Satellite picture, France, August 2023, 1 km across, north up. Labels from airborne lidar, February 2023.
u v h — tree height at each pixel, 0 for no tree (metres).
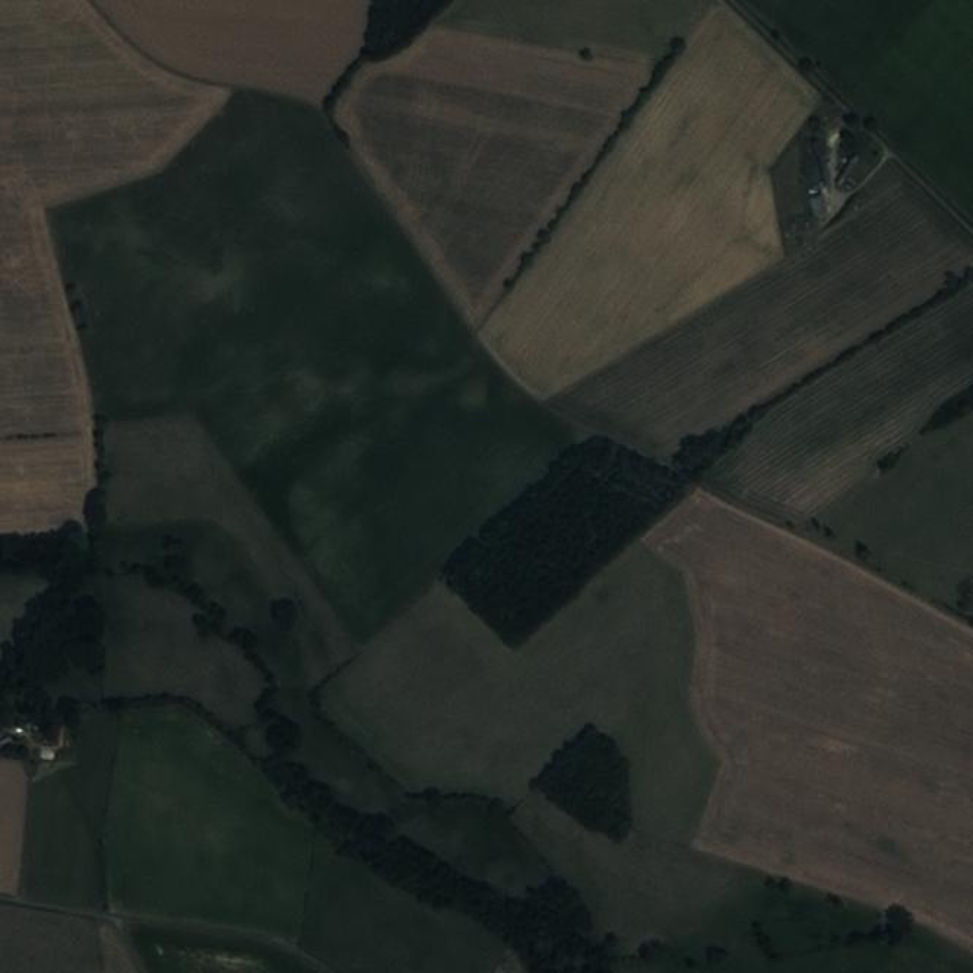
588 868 0
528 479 0
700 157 0
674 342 0
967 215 0
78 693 0
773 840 0
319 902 0
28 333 0
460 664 0
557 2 0
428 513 0
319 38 0
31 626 12
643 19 0
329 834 9
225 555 0
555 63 0
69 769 0
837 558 0
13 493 0
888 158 0
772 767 0
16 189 0
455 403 0
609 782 15
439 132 0
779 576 0
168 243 0
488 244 0
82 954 0
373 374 0
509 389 0
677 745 0
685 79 0
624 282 0
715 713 0
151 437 0
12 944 0
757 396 0
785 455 0
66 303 0
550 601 19
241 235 0
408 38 12
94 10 0
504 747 0
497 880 0
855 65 0
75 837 0
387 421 0
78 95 0
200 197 0
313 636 0
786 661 0
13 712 0
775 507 0
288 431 0
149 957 0
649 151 0
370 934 0
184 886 0
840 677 0
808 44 0
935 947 0
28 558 19
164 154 0
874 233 0
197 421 0
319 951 0
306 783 7
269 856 0
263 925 0
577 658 0
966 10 0
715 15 0
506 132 0
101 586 0
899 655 0
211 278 0
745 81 0
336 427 0
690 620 0
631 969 0
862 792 0
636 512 15
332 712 0
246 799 0
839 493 0
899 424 0
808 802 0
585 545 18
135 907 0
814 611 0
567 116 0
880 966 0
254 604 0
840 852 0
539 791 10
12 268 0
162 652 0
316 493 0
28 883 0
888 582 0
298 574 0
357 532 0
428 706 0
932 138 0
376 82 0
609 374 0
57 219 0
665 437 0
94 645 33
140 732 0
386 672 0
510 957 0
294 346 0
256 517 0
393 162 0
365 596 0
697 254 0
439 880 17
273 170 0
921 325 0
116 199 0
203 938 0
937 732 0
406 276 0
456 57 0
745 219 0
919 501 0
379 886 0
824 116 0
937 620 0
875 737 0
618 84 0
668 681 0
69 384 0
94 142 0
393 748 0
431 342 0
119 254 0
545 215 0
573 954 22
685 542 0
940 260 0
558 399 0
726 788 0
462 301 0
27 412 0
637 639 0
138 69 0
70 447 0
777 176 0
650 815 0
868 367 0
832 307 0
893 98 0
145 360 0
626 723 0
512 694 0
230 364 0
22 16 0
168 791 0
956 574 0
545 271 0
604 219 0
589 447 9
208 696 0
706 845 0
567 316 0
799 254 0
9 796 0
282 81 0
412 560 0
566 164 0
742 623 0
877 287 0
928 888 0
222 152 0
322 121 0
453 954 0
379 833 21
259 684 0
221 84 0
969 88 0
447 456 0
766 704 0
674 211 0
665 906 0
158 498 0
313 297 0
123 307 0
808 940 0
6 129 0
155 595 0
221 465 0
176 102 0
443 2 13
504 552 23
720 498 0
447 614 0
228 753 0
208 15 0
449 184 0
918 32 0
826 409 0
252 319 0
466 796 5
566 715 0
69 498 0
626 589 0
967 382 0
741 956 0
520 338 0
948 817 0
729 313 0
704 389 0
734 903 0
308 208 0
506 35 0
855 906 0
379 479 0
